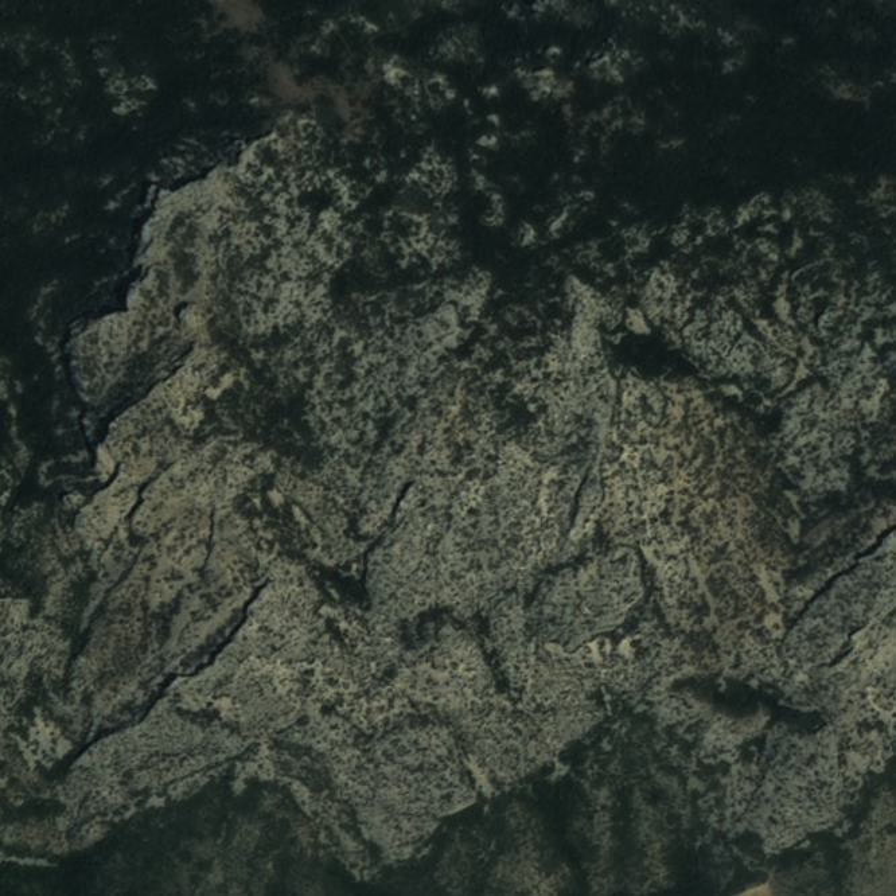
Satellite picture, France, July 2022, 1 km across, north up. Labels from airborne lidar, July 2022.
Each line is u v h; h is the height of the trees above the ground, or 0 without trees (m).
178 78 9
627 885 0
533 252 6
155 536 6
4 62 7
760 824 0
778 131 8
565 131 6
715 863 0
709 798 0
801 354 6
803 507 6
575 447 6
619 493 0
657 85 7
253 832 0
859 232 7
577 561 7
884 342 6
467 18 6
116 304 8
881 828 0
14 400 6
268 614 0
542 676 0
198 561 0
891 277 7
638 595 21
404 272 6
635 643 6
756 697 8
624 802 7
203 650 7
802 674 0
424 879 0
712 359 7
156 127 6
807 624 0
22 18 8
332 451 6
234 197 0
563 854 6
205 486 0
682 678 0
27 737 9
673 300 6
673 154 5
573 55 6
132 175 7
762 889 0
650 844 0
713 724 0
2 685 6
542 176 7
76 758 12
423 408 0
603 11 6
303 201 7
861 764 0
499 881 0
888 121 6
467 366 0
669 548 0
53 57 6
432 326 0
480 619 7
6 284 9
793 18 7
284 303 0
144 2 6
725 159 6
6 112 7
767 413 8
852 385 0
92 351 0
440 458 0
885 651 0
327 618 6
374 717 0
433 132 6
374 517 0
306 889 0
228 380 0
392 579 0
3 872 7
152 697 10
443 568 0
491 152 7
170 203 0
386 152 7
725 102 8
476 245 6
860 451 8
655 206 6
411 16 0
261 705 0
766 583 0
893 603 8
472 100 6
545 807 7
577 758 6
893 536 0
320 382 0
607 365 10
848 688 0
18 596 6
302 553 5
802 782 0
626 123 6
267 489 7
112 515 0
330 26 0
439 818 6
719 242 7
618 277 7
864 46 6
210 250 0
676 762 0
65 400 7
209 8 6
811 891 0
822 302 10
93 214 8
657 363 6
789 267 7
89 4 6
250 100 6
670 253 8
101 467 0
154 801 0
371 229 6
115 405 6
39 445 8
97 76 7
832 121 6
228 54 6
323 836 0
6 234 5
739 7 6
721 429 6
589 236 9
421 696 0
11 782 6
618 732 0
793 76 6
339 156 6
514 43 7
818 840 0
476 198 8
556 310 6
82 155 6
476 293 0
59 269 6
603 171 6
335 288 6
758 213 7
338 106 0
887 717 0
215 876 0
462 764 8
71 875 12
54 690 6
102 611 6
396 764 0
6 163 7
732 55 5
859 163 8
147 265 0
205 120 6
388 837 0
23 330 5
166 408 0
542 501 0
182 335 0
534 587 8
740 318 7
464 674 0
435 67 6
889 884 0
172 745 0
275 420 7
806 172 8
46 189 6
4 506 6
